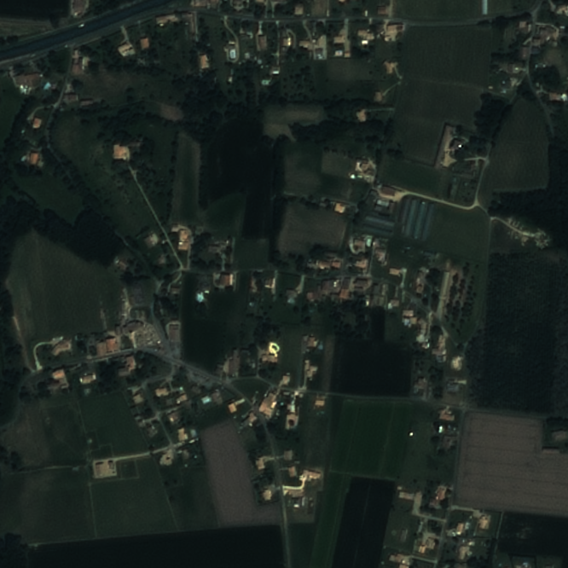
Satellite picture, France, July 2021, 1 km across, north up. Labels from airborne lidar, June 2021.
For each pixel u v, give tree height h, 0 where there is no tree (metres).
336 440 0
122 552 0
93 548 0
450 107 0
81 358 0
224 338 6
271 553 0
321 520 0
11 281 0
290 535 0
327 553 0
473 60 0
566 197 20
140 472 0
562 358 15
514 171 0
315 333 0
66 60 0
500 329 7
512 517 0
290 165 0
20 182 0
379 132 10
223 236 0
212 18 0
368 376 0
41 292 0
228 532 0
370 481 0
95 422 0
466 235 0
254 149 0
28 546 10
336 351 0
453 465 0
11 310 13
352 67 0
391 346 0
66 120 0
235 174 0
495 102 11
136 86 0
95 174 0
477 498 0
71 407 0
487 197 0
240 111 13
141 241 0
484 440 0
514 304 5
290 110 0
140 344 0
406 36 0
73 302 0
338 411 0
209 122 14
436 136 0
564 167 20
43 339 0
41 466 0
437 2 0
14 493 0
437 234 0
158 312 13
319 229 0
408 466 0
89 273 0
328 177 0
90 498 0
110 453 0
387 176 0
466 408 0
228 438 0
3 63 0
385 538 0
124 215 0
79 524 0
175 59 0
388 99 0
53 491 0
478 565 8
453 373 0
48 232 17
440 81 0
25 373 8
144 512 0
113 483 0
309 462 0
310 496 0
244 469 0
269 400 0
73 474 0
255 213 0
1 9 0
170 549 0
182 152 0
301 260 12
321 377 0
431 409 0
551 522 0
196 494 0
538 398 9
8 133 0
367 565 0
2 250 22
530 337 8
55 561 0
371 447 0
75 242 17
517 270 7
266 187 0
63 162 7
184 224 0
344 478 0
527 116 0
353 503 0
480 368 14
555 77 16
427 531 0
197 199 0
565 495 0
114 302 0
